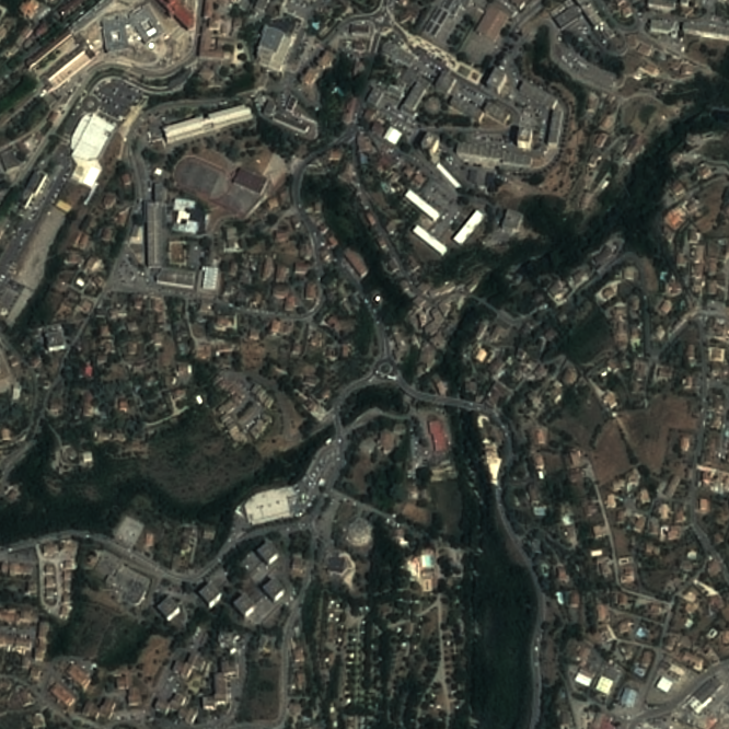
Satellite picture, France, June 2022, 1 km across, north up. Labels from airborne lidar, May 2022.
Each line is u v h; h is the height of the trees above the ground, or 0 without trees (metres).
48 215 0
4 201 10
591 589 6
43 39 14
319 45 0
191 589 16
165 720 0
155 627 16
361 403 15
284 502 0
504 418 8
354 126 0
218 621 7
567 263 15
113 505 9
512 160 0
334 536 10
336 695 16
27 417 10
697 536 8
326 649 7
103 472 9
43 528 10
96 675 7
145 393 7
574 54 0
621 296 7
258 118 6
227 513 11
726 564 6
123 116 0
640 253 7
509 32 6
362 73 17
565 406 7
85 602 7
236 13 10
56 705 0
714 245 0
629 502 0
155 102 10
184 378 0
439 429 0
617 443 0
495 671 10
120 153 0
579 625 7
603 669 0
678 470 0
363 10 12
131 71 0
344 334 12
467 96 0
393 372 0
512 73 0
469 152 0
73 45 0
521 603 12
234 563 13
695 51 0
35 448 9
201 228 0
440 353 8
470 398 15
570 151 8
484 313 12
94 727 0
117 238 9
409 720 13
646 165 20
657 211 9
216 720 0
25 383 13
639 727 0
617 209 16
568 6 0
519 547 0
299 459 12
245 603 0
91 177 0
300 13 0
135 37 6
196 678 0
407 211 6
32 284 0
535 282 10
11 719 0
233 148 14
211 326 17
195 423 6
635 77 0
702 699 0
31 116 14
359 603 14
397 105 0
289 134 16
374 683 8
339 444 0
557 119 0
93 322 5
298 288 7
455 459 6
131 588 0
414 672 12
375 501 17
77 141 0
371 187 7
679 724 0
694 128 10
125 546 0
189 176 0
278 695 0
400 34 0
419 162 0
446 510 0
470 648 11
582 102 8
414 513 0
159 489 6
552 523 7
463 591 9
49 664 0
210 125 0
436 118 6
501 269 15
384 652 13
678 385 6
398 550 14
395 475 26
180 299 9
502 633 6
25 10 0
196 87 12
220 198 0
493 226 9
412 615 7
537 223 17
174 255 0
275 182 0
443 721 6
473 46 0
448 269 9
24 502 7
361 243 17
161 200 0
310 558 7
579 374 6
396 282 6
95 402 8
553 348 18
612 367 0
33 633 0
